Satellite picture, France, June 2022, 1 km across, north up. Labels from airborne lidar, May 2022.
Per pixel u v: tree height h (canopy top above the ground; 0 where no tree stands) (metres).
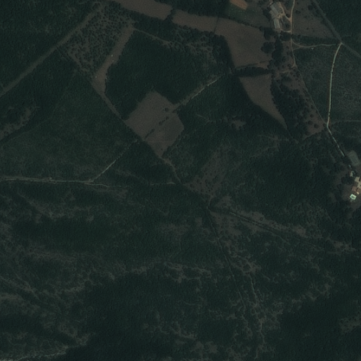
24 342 6
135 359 8
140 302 9
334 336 8
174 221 7
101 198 7
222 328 6
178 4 15
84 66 9
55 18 7
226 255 6
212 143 8
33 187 8
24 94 8
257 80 0
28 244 6
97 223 7
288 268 6
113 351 8
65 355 7
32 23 7
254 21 0
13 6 10
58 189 7
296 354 7
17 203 6
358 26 6
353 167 10
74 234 9
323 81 0
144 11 0
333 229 11
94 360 7
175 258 6
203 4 12
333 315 11
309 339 12
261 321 0
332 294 8
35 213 6
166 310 7
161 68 9
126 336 10
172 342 7
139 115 0
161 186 9
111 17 10
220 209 6
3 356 0
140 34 10
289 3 14
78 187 6
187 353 7
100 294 8
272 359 6
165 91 9
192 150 8
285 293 6
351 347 8
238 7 0
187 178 8
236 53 0
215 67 8
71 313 7
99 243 6
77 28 0
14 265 6
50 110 8
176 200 6
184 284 6
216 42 12
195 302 6
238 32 0
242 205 7
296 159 11
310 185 7
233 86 8
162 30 9
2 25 8
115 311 9
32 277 6
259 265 6
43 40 8
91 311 7
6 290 7
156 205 6
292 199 8
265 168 12
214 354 6
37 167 6
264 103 0
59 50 8
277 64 11
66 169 7
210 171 0
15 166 7
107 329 11
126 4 0
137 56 9
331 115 5
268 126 10
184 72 6
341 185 14
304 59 10
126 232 6
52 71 6
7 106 12
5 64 7
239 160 7
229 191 6
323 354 11
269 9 9
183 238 7
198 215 8
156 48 13
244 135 10
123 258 8
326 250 6
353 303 6
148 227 11
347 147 9
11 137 7
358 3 7
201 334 5
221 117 10
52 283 6
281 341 6
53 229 9
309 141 10
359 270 10
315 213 8
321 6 7
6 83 6
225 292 6
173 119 0
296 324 12
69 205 7
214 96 8
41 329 7
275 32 10
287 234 7
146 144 9
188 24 0
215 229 6
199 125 8
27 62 8
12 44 7
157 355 7
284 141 6
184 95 8
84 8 7
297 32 0
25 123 8
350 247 10
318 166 13
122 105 10
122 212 6
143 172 9
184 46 7
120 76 9
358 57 6
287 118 14
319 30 0
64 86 7
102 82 0
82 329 6
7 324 12
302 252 6
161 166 9
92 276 6
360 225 12
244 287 6
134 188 7
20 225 9
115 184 6
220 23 0
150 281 7
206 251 6
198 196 8
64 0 10
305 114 11
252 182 8
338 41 7
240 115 10
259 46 0
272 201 8
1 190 8
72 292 0
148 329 7
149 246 7
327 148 11
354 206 0
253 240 7
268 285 7
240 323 7
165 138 0
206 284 7
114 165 6
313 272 9
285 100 11
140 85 9
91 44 8
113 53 0
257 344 6
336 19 6
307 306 9
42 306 7
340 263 10
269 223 0
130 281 9
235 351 6
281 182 9
